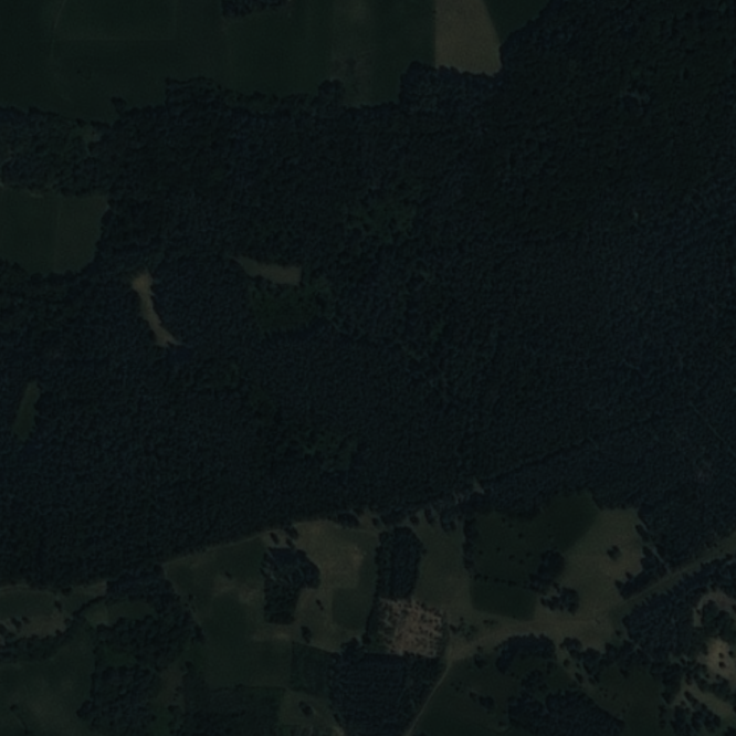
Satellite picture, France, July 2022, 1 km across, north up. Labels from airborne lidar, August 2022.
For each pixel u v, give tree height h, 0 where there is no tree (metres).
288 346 25
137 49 0
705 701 0
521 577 0
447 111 27
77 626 10
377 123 22
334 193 20
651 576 20
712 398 21
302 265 17
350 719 21
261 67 0
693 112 22
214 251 19
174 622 7
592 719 18
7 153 11
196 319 14
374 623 8
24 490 37
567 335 20
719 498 17
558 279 23
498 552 5
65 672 0
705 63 26
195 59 0
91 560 21
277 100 16
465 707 0
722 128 18
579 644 14
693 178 22
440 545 0
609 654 14
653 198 23
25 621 7
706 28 28
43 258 0
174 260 23
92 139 0
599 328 24
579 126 25
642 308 24
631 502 22
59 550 20
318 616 0
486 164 27
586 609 0
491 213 25
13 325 16
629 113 25
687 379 21
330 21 0
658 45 27
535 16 0
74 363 33
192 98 11
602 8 25
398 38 0
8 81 0
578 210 24
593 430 16
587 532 0
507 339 20
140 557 20
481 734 0
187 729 7
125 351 29
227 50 0
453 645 0
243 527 19
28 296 6
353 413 23
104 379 24
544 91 24
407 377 22
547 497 18
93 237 0
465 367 20
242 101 6
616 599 0
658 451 19
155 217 17
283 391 25
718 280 24
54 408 27
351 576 0
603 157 27
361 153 24
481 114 27
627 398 23
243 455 25
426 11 0
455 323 26
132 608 0
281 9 6
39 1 0
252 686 0
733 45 22
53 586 14
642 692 0
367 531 0
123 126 15
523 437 22
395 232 7
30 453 31
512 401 21
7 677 0
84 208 0
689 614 15
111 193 16
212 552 0
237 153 24
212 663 0
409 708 9
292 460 24
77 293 25
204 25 0
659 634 16
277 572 22
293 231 8
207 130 25
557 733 15
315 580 26
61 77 0
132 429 16
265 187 23
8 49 0
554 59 26
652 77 27
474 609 0
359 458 17
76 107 0
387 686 23
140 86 0
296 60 0
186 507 23
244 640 0
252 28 0
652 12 32
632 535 0
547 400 23
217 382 15
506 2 0
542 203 25
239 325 23
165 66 0
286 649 0
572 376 24
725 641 10
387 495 20
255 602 0
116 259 28
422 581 0
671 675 12
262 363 24
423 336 20
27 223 0
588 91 18
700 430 19
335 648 0
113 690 9
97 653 8
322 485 19
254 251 16
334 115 18
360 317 25
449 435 20
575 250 20
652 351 32
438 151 24
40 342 18
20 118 27
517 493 22
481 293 16
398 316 6
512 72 28
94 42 0
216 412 26
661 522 31
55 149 12
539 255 22
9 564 19
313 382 23
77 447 31
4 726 0
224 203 21
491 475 17
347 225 6
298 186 21
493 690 0
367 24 0
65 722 0
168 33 0
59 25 0
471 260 20
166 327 19
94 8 0
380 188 6
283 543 0
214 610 0
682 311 21
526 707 19
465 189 28
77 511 23
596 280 24
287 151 21
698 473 21
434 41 0
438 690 0
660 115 24
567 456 21
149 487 17
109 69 0
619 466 29
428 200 21
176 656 7
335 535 0
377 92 0
